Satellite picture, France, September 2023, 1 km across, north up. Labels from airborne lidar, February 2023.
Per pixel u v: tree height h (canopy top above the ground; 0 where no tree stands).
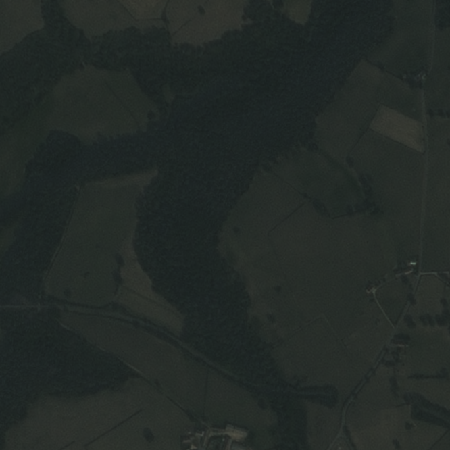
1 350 12
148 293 0
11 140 0
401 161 0
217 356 21
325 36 23
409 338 9
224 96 22
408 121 0
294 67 18
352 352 0
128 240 0
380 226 0
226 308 25
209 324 29
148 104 0
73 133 0
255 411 0
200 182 27
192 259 20
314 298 0
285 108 16
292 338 0
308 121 16
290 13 0
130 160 29
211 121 23
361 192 0
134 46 14
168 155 16
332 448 0
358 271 0
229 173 23
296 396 12
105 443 0
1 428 16
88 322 0
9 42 0
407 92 0
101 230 0
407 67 0
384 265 0
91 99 0
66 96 0
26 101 16
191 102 7
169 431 0
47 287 0
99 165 24
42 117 0
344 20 28
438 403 0
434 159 0
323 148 0
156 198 25
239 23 0
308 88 18
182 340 12
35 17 0
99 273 0
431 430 0
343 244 0
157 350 0
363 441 0
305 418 0
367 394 0
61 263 0
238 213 0
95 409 0
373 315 0
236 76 7
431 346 0
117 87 0
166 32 6
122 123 0
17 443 0
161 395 0
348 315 0
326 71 21
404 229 0
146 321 9
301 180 0
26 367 20
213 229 15
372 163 0
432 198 0
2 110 10
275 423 0
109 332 0
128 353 0
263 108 18
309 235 0
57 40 15
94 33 0
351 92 0
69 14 0
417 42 0
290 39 10
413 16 0
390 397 0
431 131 0
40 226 15
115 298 0
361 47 17
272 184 0
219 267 17
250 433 0
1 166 0
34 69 21
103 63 15
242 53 11
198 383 0
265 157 18
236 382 9
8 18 0
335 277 0
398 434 0
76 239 0
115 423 0
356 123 0
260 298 0
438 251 0
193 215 21
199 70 18
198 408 0
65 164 8
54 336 16
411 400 15
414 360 0
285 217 0
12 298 47
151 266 21
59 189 19
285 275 0
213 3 0
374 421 0
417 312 0
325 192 0
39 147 0
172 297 14
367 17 14
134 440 0
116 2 0
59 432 0
